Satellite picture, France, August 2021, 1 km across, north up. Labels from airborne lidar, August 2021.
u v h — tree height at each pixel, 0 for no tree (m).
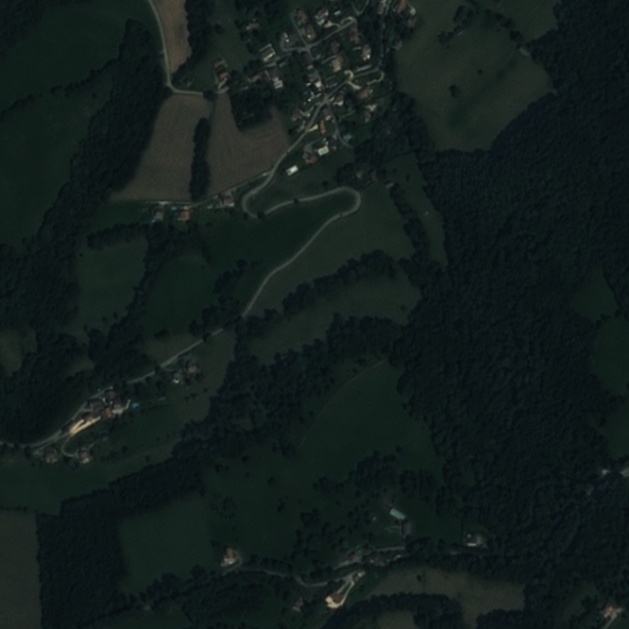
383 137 7
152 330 0
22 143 0
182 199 0
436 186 26
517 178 27
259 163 0
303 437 0
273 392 25
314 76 0
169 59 0
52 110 0
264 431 12
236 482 0
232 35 0
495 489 29
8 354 0
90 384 6
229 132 0
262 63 14
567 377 21
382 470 15
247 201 0
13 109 11
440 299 9
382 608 27
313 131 0
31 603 0
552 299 22
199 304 0
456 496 17
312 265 0
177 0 0
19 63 0
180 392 0
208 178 16
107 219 0
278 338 0
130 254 0
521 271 33
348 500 0
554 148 32
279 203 0
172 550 0
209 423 13
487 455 31
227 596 20
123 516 12
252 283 0
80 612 12
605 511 29
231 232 0
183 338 0
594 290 0
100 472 0
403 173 0
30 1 32
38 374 25
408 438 0
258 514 0
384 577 0
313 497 0
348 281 23
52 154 0
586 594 0
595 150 26
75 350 10
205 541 0
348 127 15
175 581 24
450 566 23
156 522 0
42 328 22
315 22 6
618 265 25
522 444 32
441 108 0
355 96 14
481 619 0
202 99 0
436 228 0
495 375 29
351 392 0
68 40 0
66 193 17
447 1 0
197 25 18
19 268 17
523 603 0
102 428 0
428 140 26
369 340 23
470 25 8
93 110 0
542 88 0
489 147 0
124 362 20
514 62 0
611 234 23
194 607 20
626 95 37
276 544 0
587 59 29
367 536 8
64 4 10
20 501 0
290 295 0
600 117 28
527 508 36
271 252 0
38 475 0
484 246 29
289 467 0
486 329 28
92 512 15
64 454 0
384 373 0
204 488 14
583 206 19
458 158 26
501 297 28
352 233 0
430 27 0
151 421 0
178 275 0
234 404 18
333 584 9
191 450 23
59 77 0
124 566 14
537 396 26
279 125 0
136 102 19
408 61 0
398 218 0
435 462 0
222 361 0
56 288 28
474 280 32
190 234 8
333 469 0
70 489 0
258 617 0
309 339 0
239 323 12
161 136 0
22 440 14
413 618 0
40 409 22
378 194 0
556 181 22
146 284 15
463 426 33
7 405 26
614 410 20
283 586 21
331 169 0
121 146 20
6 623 0
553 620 14
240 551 0
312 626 0
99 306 0
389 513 0
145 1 0
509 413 26
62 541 12
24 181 0
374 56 8
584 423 26
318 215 0
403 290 0
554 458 27
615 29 23
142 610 20
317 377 17
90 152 13
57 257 17
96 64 0
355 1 6
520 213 23
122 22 0
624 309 20
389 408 0
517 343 7
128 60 8
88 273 0
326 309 0
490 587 0
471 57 0
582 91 29
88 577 12
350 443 0
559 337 24
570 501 24
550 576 28
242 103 14
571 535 30
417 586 0
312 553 14
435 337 31
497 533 19
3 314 24
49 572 10
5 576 0
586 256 23
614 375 0
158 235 15
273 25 6
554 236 21
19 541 0
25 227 0
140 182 0
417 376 29
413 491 15
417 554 23
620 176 24
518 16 0
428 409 21
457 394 33
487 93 0
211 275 0
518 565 29
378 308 0
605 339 0
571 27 27
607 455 6
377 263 26
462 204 26
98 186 21
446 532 0
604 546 25
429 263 24
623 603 24
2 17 31
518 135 27
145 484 16
